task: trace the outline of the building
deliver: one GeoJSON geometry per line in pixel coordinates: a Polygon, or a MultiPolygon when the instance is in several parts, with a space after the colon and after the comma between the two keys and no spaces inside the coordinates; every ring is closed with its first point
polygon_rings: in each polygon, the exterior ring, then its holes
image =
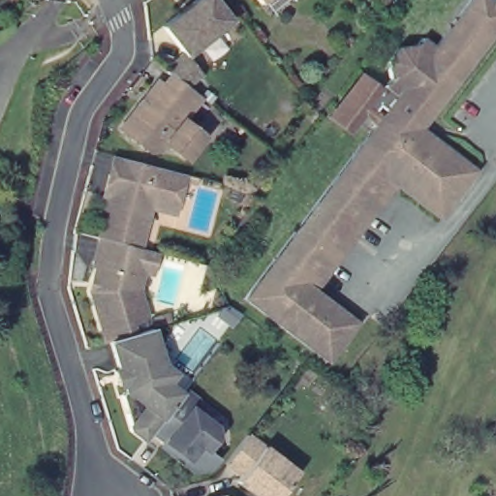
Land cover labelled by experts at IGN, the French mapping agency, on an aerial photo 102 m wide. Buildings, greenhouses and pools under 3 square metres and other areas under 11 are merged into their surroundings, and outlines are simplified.
{"type": "Polygon", "coordinates": [[[89,298],[97,333],[101,335],[105,339],[105,345],[112,351],[114,364],[122,366],[120,374],[108,376],[110,384],[112,386],[122,384],[126,387],[126,397],[134,415],[134,426],[145,436],[147,446],[159,446],[161,449],[165,449],[170,457],[182,461],[192,473],[213,473],[217,467],[225,465],[225,479],[236,475],[238,482],[234,486],[246,488],[252,496],[291,496],[294,482],[302,479],[302,469],[298,469],[293,461],[281,455],[277,449],[265,446],[254,436],[244,438],[236,453],[227,457],[217,455],[221,446],[227,446],[227,428],[198,409],[198,393],[186,391],[180,387],[180,372],[172,366],[167,349],[163,345],[163,337],[169,337],[175,327],[172,308],[155,310],[151,294],[151,281],[167,260],[159,252],[147,252],[147,244],[151,242],[151,231],[155,221],[165,213],[178,215],[184,209],[188,198],[192,198],[190,180],[194,176],[116,157],[110,159],[110,172],[105,182],[105,198],[108,213],[108,219],[105,219],[105,232],[93,236],[97,240],[97,248],[91,260],[91,269],[97,269],[97,277],[93,285],[93,296],[89,298]]]}
{"type": "Polygon", "coordinates": [[[217,314],[227,324],[227,329],[231,329],[242,320],[242,312],[236,312],[232,308],[225,310],[217,314]]]}
{"type": "Polygon", "coordinates": [[[215,95],[213,95],[213,93],[205,93],[205,95],[207,95],[207,101],[209,101],[209,103],[215,103],[215,95]]]}
{"type": "Polygon", "coordinates": [[[296,0],[256,0],[271,14],[281,14],[285,8],[293,6],[296,0]]]}
{"type": "Polygon", "coordinates": [[[366,236],[366,231],[372,231],[370,223],[378,221],[378,215],[387,201],[399,198],[399,192],[407,192],[424,207],[434,211],[440,217],[440,221],[453,213],[463,194],[469,190],[469,186],[473,186],[471,172],[477,169],[430,132],[432,124],[440,124],[461,87],[467,85],[467,81],[477,72],[480,62],[488,56],[492,46],[496,45],[496,0],[477,0],[469,12],[463,10],[457,27],[448,25],[442,33],[440,45],[432,43],[430,39],[422,39],[420,45],[401,48],[397,54],[397,62],[387,62],[389,79],[386,85],[380,85],[376,79],[362,74],[343,99],[343,103],[327,116],[333,126],[341,124],[343,128],[347,128],[349,134],[355,134],[360,128],[368,134],[353,151],[347,165],[329,182],[322,198],[314,203],[310,213],[304,217],[302,229],[294,232],[285,248],[277,254],[275,260],[271,260],[262,277],[254,283],[254,287],[244,294],[246,306],[273,320],[285,331],[287,337],[291,337],[306,351],[324,358],[327,364],[333,364],[335,358],[351,345],[351,341],[358,333],[358,327],[364,320],[356,320],[353,314],[339,306],[333,298],[329,298],[324,293],[324,287],[329,279],[333,279],[335,271],[353,250],[353,246],[358,244],[358,240],[366,236]]]}
{"type": "Polygon", "coordinates": [[[178,37],[172,46],[180,52],[176,70],[170,70],[167,81],[153,85],[149,91],[149,99],[143,105],[134,110],[128,108],[128,112],[122,116],[118,124],[118,136],[132,149],[141,153],[167,157],[170,151],[174,151],[180,155],[176,161],[194,165],[205,151],[215,141],[211,139],[209,132],[205,132],[196,122],[190,120],[192,112],[201,110],[201,95],[190,89],[188,83],[205,83],[209,60],[205,58],[205,52],[209,46],[225,37],[225,33],[236,33],[238,15],[242,14],[242,4],[246,0],[200,0],[188,14],[180,15],[178,19],[172,15],[167,27],[178,37]]]}

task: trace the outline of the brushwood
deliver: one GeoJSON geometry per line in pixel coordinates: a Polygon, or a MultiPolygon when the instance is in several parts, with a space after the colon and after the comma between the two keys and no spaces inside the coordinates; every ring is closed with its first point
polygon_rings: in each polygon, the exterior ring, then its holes
{"type": "Polygon", "coordinates": [[[300,378],[310,370],[325,378],[329,386],[349,389],[355,386],[358,376],[364,370],[356,362],[349,366],[349,376],[329,374],[316,360],[304,356],[289,382],[296,386],[300,378]]]}
{"type": "Polygon", "coordinates": [[[399,198],[413,209],[417,209],[428,221],[440,221],[440,217],[434,211],[424,207],[407,192],[399,192],[399,198]]]}
{"type": "Polygon", "coordinates": [[[246,130],[263,139],[267,145],[273,151],[277,151],[281,159],[285,159],[293,153],[296,128],[300,128],[304,118],[293,118],[287,126],[277,126],[275,136],[269,136],[248,116],[238,112],[231,103],[227,103],[221,95],[215,95],[215,103],[215,107],[223,114],[231,116],[234,122],[238,122],[246,130]]]}
{"type": "Polygon", "coordinates": [[[0,0],[0,46],[14,37],[19,23],[25,12],[25,0],[0,0]]]}
{"type": "Polygon", "coordinates": [[[463,128],[455,120],[455,116],[465,107],[465,103],[482,83],[482,79],[488,76],[488,72],[496,64],[496,45],[492,46],[488,56],[480,62],[477,72],[467,81],[467,85],[461,87],[440,124],[448,130],[453,143],[461,145],[469,155],[473,155],[479,161],[486,159],[479,145],[473,145],[467,136],[463,136],[463,128]]]}
{"type": "Polygon", "coordinates": [[[81,56],[72,54],[66,60],[54,64],[48,76],[39,79],[35,87],[33,141],[31,147],[25,151],[29,155],[29,172],[21,172],[19,180],[23,180],[27,186],[15,192],[15,201],[27,203],[35,194],[39,161],[45,157],[46,128],[50,112],[60,99],[60,95],[66,91],[68,81],[76,74],[79,62],[83,62],[81,56]]]}
{"type": "Polygon", "coordinates": [[[250,4],[252,0],[246,0],[242,4],[242,14],[238,15],[236,33],[238,33],[242,33],[248,27],[260,29],[265,37],[265,46],[271,52],[275,52],[275,56],[281,60],[281,70],[285,74],[294,74],[291,79],[296,89],[300,89],[306,83],[300,70],[308,64],[306,56],[312,52],[308,48],[293,48],[289,52],[279,52],[275,45],[271,45],[269,27],[254,14],[254,8],[250,4]]]}

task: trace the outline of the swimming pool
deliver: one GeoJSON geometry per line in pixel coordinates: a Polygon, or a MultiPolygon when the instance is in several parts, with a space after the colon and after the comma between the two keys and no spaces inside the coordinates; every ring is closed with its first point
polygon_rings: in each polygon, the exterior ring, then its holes
{"type": "Polygon", "coordinates": [[[159,300],[163,302],[174,302],[180,283],[180,273],[169,269],[165,271],[159,287],[159,300]]]}
{"type": "Polygon", "coordinates": [[[190,223],[198,229],[205,229],[213,205],[213,194],[200,192],[190,223]]]}
{"type": "Polygon", "coordinates": [[[180,349],[188,356],[188,370],[198,366],[201,356],[207,353],[213,341],[217,341],[209,331],[196,331],[180,349]]]}

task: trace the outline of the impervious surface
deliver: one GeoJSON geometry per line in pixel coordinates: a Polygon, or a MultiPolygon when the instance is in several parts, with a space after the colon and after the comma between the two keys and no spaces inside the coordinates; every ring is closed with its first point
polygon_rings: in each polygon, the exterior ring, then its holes
{"type": "Polygon", "coordinates": [[[207,480],[203,486],[190,488],[186,494],[180,496],[209,496],[211,492],[223,486],[234,486],[238,482],[236,475],[225,479],[215,484],[207,480]]]}
{"type": "Polygon", "coordinates": [[[201,293],[205,265],[174,258],[167,260],[151,281],[151,294],[155,310],[172,308],[175,327],[169,337],[163,337],[163,345],[167,349],[172,366],[180,372],[180,387],[186,391],[196,382],[198,374],[217,351],[223,335],[227,329],[227,324],[217,314],[225,310],[221,302],[215,298],[215,291],[201,293]],[[163,302],[159,300],[159,287],[165,271],[169,269],[180,273],[180,283],[174,302],[163,302]],[[198,366],[188,370],[188,356],[180,349],[196,331],[209,331],[217,341],[213,341],[207,353],[201,356],[198,366]]]}
{"type": "Polygon", "coordinates": [[[453,14],[449,15],[448,25],[457,27],[463,10],[469,12],[477,0],[461,0],[453,14]]]}
{"type": "Polygon", "coordinates": [[[213,231],[221,198],[221,190],[215,184],[207,186],[201,178],[194,176],[190,180],[192,198],[188,198],[184,209],[178,215],[165,213],[155,221],[151,231],[151,242],[157,242],[159,238],[159,231],[163,227],[209,236],[213,231]],[[200,192],[213,194],[213,205],[205,229],[198,229],[190,223],[200,192]]]}
{"type": "Polygon", "coordinates": [[[353,250],[335,271],[333,279],[329,279],[324,287],[324,293],[329,298],[333,298],[339,306],[353,314],[356,320],[364,320],[366,316],[368,320],[378,322],[378,318],[387,314],[391,308],[399,304],[405,306],[407,294],[415,289],[420,271],[426,265],[436,262],[436,258],[442,254],[449,238],[459,231],[463,221],[496,184],[496,64],[488,72],[488,76],[482,79],[482,83],[465,103],[465,107],[455,116],[455,120],[463,128],[463,136],[467,136],[473,145],[479,145],[486,159],[486,167],[477,169],[471,172],[473,186],[469,186],[469,190],[463,194],[453,213],[440,221],[428,221],[417,209],[413,209],[399,198],[387,201],[378,215],[378,221],[370,223],[372,231],[366,231],[366,236],[358,240],[358,244],[353,246],[353,250]]]}
{"type": "Polygon", "coordinates": [[[105,182],[110,172],[110,159],[116,157],[116,151],[99,151],[103,147],[103,128],[103,122],[107,120],[108,110],[112,110],[112,105],[128,97],[128,91],[132,91],[138,85],[138,81],[153,85],[167,81],[170,70],[169,64],[159,56],[161,45],[155,43],[157,31],[151,29],[149,23],[149,4],[155,0],[81,0],[87,4],[87,12],[83,17],[66,25],[56,25],[56,17],[64,8],[64,4],[77,0],[46,0],[45,8],[31,21],[23,25],[19,23],[14,37],[0,46],[0,118],[4,114],[15,77],[19,74],[25,58],[31,52],[64,46],[68,46],[72,54],[81,56],[83,62],[79,62],[76,74],[68,81],[66,91],[60,95],[60,99],[50,112],[46,128],[45,157],[39,161],[35,194],[27,203],[35,217],[35,256],[31,269],[23,267],[23,277],[19,285],[27,293],[27,304],[33,306],[35,320],[41,329],[46,355],[50,360],[60,401],[64,407],[68,451],[62,453],[66,457],[68,467],[68,477],[64,479],[62,486],[64,496],[174,496],[174,492],[169,492],[163,486],[163,482],[155,477],[153,471],[145,467],[149,459],[157,455],[157,451],[161,449],[159,446],[147,446],[145,436],[134,426],[134,415],[126,397],[126,387],[122,384],[112,386],[114,397],[120,401],[128,432],[139,442],[134,455],[120,448],[108,411],[107,397],[103,391],[103,387],[110,384],[108,376],[120,374],[122,366],[114,364],[112,351],[105,345],[105,339],[101,335],[99,339],[87,339],[79,318],[74,289],[85,289],[85,294],[89,298],[93,296],[93,285],[97,277],[97,269],[91,269],[91,260],[97,248],[97,240],[93,236],[79,236],[76,221],[89,207],[91,196],[97,201],[105,198],[105,182]]]}

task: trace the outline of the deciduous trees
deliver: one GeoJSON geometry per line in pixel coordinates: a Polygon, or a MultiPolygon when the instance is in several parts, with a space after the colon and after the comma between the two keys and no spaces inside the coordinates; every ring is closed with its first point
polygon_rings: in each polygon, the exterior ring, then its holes
{"type": "Polygon", "coordinates": [[[201,293],[215,291],[215,298],[221,302],[231,298],[227,291],[232,281],[244,277],[252,262],[262,258],[267,252],[263,238],[271,223],[271,211],[267,207],[258,207],[250,217],[246,215],[246,211],[240,211],[238,217],[231,217],[234,234],[219,234],[219,242],[223,244],[223,256],[213,258],[205,265],[201,293]]]}
{"type": "Polygon", "coordinates": [[[8,312],[8,306],[0,300],[0,343],[10,341],[12,329],[4,324],[4,314],[8,312]]]}
{"type": "Polygon", "coordinates": [[[496,240],[496,215],[484,217],[480,223],[482,234],[496,240]]]}
{"type": "Polygon", "coordinates": [[[350,39],[345,39],[343,35],[327,35],[325,46],[341,58],[348,51],[350,39]]]}
{"type": "Polygon", "coordinates": [[[479,475],[469,486],[471,496],[490,496],[482,492],[480,486],[488,484],[488,479],[484,475],[479,475]]]}
{"type": "Polygon", "coordinates": [[[223,335],[217,351],[232,353],[240,358],[244,351],[240,345],[232,343],[223,335]]]}
{"type": "Polygon", "coordinates": [[[333,14],[335,6],[341,6],[341,23],[351,25],[356,33],[364,33],[368,27],[374,29],[376,37],[368,46],[376,56],[384,58],[387,62],[397,62],[397,54],[401,48],[395,39],[395,29],[403,25],[405,15],[411,10],[409,0],[314,0],[314,15],[324,14],[327,17],[333,14]]]}
{"type": "Polygon", "coordinates": [[[258,393],[263,393],[277,405],[283,405],[285,411],[293,411],[293,403],[298,397],[296,386],[289,382],[283,384],[279,376],[271,378],[269,364],[265,362],[244,364],[240,360],[234,372],[236,387],[242,391],[244,397],[254,397],[258,393]]]}
{"type": "Polygon", "coordinates": [[[316,112],[310,107],[314,87],[312,83],[316,83],[322,77],[322,70],[318,68],[318,64],[308,64],[300,70],[306,83],[300,89],[296,89],[293,118],[304,118],[316,112]]]}
{"type": "Polygon", "coordinates": [[[64,479],[68,477],[68,467],[66,457],[62,453],[45,453],[37,459],[33,467],[29,467],[27,473],[31,496],[64,496],[62,486],[64,479]]]}
{"type": "Polygon", "coordinates": [[[449,469],[457,473],[463,471],[461,461],[473,463],[473,459],[486,444],[496,444],[496,418],[484,420],[449,415],[442,438],[434,446],[434,459],[442,461],[444,457],[448,457],[449,469]]]}
{"type": "Polygon", "coordinates": [[[178,19],[180,15],[188,14],[200,0],[178,0],[174,4],[172,15],[178,19]]]}
{"type": "Polygon", "coordinates": [[[389,463],[384,453],[378,453],[370,455],[368,464],[359,469],[361,479],[371,489],[382,484],[384,480],[378,467],[389,463]]]}
{"type": "Polygon", "coordinates": [[[254,161],[254,169],[258,170],[256,174],[250,174],[246,178],[227,176],[223,178],[223,182],[215,184],[221,190],[221,198],[231,200],[232,192],[254,194],[262,190],[271,190],[271,184],[279,174],[275,169],[283,165],[285,159],[281,159],[277,151],[273,151],[267,145],[265,153],[254,161]]]}
{"type": "Polygon", "coordinates": [[[79,236],[93,236],[105,232],[105,219],[108,219],[108,213],[105,198],[97,201],[91,196],[89,207],[76,221],[79,236]]]}
{"type": "Polygon", "coordinates": [[[147,252],[159,252],[167,260],[174,258],[170,254],[170,248],[167,248],[165,242],[159,238],[157,242],[151,242],[147,244],[147,252]]]}
{"type": "Polygon", "coordinates": [[[234,147],[231,143],[217,141],[215,141],[205,151],[213,163],[215,172],[232,169],[234,147]]]}
{"type": "Polygon", "coordinates": [[[269,327],[264,326],[257,330],[256,347],[271,349],[275,345],[275,335],[269,327]]]}
{"type": "Polygon", "coordinates": [[[118,124],[122,116],[128,112],[128,108],[128,97],[112,105],[112,110],[108,110],[107,120],[103,122],[103,128],[110,130],[112,124],[118,124]]]}
{"type": "Polygon", "coordinates": [[[17,229],[15,201],[15,192],[27,186],[23,180],[19,180],[21,172],[19,165],[10,165],[4,159],[0,159],[0,289],[12,289],[19,285],[23,277],[23,267],[25,242],[17,229]]]}
{"type": "Polygon", "coordinates": [[[145,467],[153,471],[155,477],[163,482],[163,486],[169,492],[174,492],[174,496],[180,496],[186,494],[190,488],[203,486],[207,480],[215,484],[225,479],[225,465],[217,467],[213,473],[192,473],[182,461],[170,457],[165,449],[161,449],[157,451],[157,455],[149,459],[145,467]]]}
{"type": "Polygon", "coordinates": [[[351,471],[351,459],[366,457],[364,449],[370,448],[378,424],[384,422],[384,417],[389,411],[393,411],[395,405],[399,409],[409,409],[417,399],[426,399],[426,393],[434,384],[434,374],[422,374],[418,356],[424,347],[432,349],[436,345],[436,339],[440,339],[446,333],[444,329],[448,329],[449,325],[449,306],[459,287],[461,275],[467,267],[465,256],[442,254],[436,258],[436,262],[426,265],[420,271],[415,289],[407,294],[405,306],[399,304],[391,308],[387,314],[378,318],[378,322],[378,345],[386,353],[386,360],[380,368],[378,358],[370,358],[368,368],[364,370],[358,376],[355,386],[349,389],[329,386],[325,387],[327,409],[320,411],[320,417],[327,424],[329,432],[320,432],[320,438],[329,440],[331,434],[335,434],[343,438],[343,446],[335,444],[333,449],[345,457],[339,463],[339,467],[347,467],[351,471]]]}

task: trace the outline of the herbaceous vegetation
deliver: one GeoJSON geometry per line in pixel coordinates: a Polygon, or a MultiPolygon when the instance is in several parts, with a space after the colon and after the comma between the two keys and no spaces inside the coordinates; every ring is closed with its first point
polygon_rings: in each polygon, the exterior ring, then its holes
{"type": "Polygon", "coordinates": [[[23,25],[31,21],[45,8],[46,0],[25,0],[25,12],[19,23],[23,25]]]}
{"type": "Polygon", "coordinates": [[[17,229],[25,242],[23,267],[31,269],[35,256],[35,217],[27,203],[15,201],[17,229]]]}
{"type": "Polygon", "coordinates": [[[343,103],[343,99],[362,74],[376,79],[380,85],[386,85],[389,79],[387,62],[384,58],[376,56],[368,46],[376,37],[374,29],[368,27],[364,33],[356,33],[351,25],[341,23],[341,6],[335,6],[333,14],[327,17],[324,14],[314,15],[314,0],[296,0],[293,6],[285,8],[281,14],[271,14],[256,0],[252,0],[250,4],[254,8],[254,14],[269,27],[271,45],[275,45],[279,52],[289,52],[293,48],[308,48],[312,52],[306,56],[308,64],[318,64],[318,68],[322,70],[322,77],[316,83],[312,83],[314,87],[310,107],[316,112],[304,118],[300,128],[296,128],[293,153],[285,159],[283,165],[275,169],[279,174],[271,184],[271,190],[262,190],[254,194],[232,192],[231,200],[221,198],[213,231],[209,236],[163,227],[159,231],[159,238],[165,242],[167,248],[170,248],[170,254],[174,258],[205,265],[213,258],[223,256],[223,244],[219,242],[219,234],[234,234],[231,217],[238,217],[240,211],[246,211],[246,215],[250,217],[258,207],[267,207],[271,211],[271,223],[263,238],[267,252],[262,258],[252,262],[244,277],[232,281],[227,291],[231,298],[221,302],[225,310],[232,308],[236,312],[242,312],[242,320],[231,329],[227,329],[223,335],[232,343],[240,345],[244,351],[240,358],[232,353],[217,351],[198,374],[196,382],[186,391],[198,393],[198,409],[227,428],[227,446],[221,446],[217,455],[227,457],[236,453],[244,438],[254,436],[265,446],[277,449],[281,455],[293,461],[298,469],[302,469],[302,479],[294,482],[291,496],[471,496],[469,486],[479,475],[484,475],[488,479],[488,484],[480,486],[482,492],[490,496],[496,496],[496,444],[486,444],[473,459],[473,463],[461,461],[463,471],[457,473],[449,469],[448,457],[444,457],[442,461],[434,459],[434,446],[442,438],[449,415],[484,420],[496,418],[496,240],[482,234],[480,223],[484,217],[496,215],[496,184],[463,221],[459,231],[449,238],[442,254],[465,256],[467,267],[461,275],[459,287],[449,306],[449,325],[448,329],[444,329],[446,333],[440,339],[436,339],[436,345],[432,349],[424,347],[418,356],[422,374],[434,374],[434,384],[426,393],[426,399],[417,399],[409,409],[399,409],[395,405],[393,411],[389,411],[384,417],[384,422],[378,424],[370,448],[364,449],[366,457],[351,459],[351,471],[347,467],[339,467],[339,463],[345,457],[333,449],[335,444],[343,446],[343,438],[335,434],[331,434],[329,440],[320,438],[320,432],[329,432],[327,424],[320,417],[320,411],[327,409],[325,387],[329,386],[325,378],[310,370],[300,378],[296,386],[298,397],[293,403],[293,411],[285,411],[283,405],[277,405],[263,393],[258,393],[254,397],[244,397],[242,391],[236,387],[234,372],[240,360],[244,364],[265,362],[269,364],[271,378],[279,376],[283,384],[289,382],[304,356],[316,360],[329,374],[349,376],[349,366],[356,362],[364,370],[368,368],[370,358],[378,358],[380,368],[386,360],[386,353],[378,345],[378,322],[368,320],[366,316],[364,320],[358,327],[358,333],[351,341],[351,345],[335,358],[333,364],[327,364],[324,358],[306,351],[291,337],[287,337],[285,331],[273,320],[246,306],[244,294],[254,287],[254,283],[262,277],[271,260],[275,260],[277,254],[285,248],[294,232],[302,229],[304,217],[310,213],[314,203],[322,198],[329,182],[347,165],[353,151],[368,134],[360,128],[355,134],[349,134],[347,128],[343,128],[341,124],[333,126],[327,116],[343,103]],[[327,35],[343,35],[345,39],[350,39],[348,51],[341,58],[325,46],[327,35]],[[269,327],[275,335],[275,345],[271,349],[256,347],[257,330],[264,326],[269,327]],[[371,489],[361,479],[359,469],[368,464],[370,455],[378,453],[384,453],[389,463],[378,467],[384,480],[382,484],[371,489]]]}
{"type": "Polygon", "coordinates": [[[87,339],[99,339],[101,335],[97,333],[89,298],[85,294],[85,289],[74,289],[79,318],[87,339]]]}
{"type": "Polygon", "coordinates": [[[149,91],[153,85],[138,81],[138,85],[132,91],[128,91],[128,97],[128,108],[134,110],[143,105],[149,99],[149,91]]]}
{"type": "Polygon", "coordinates": [[[260,29],[248,27],[242,33],[238,33],[234,45],[225,56],[209,60],[205,83],[188,83],[190,89],[201,95],[205,95],[205,93],[213,93],[213,95],[215,95],[221,95],[227,103],[231,103],[238,112],[248,116],[269,136],[275,136],[277,126],[287,126],[293,118],[296,89],[291,79],[294,74],[285,74],[281,70],[281,60],[275,56],[275,52],[271,52],[265,46],[265,37],[260,29]]]}
{"type": "Polygon", "coordinates": [[[403,25],[395,29],[395,39],[401,48],[420,45],[422,39],[430,39],[432,43],[440,45],[442,33],[448,25],[449,15],[453,14],[461,0],[409,0],[411,10],[405,15],[403,25]]]}
{"type": "Polygon", "coordinates": [[[120,401],[114,397],[112,386],[110,384],[103,387],[103,391],[107,397],[108,411],[120,448],[134,455],[139,442],[128,432],[120,401]]]}
{"type": "Polygon", "coordinates": [[[192,112],[190,120],[196,122],[205,132],[209,132],[217,126],[217,118],[209,110],[201,110],[192,112]]]}
{"type": "Polygon", "coordinates": [[[479,161],[473,155],[469,155],[461,145],[453,143],[448,130],[440,124],[432,124],[430,132],[477,169],[486,167],[486,159],[479,161]]]}
{"type": "Polygon", "coordinates": [[[215,184],[223,182],[223,178],[227,176],[246,178],[250,174],[256,174],[258,170],[254,169],[254,161],[265,153],[267,145],[263,139],[246,130],[244,134],[227,130],[217,138],[217,141],[231,143],[234,147],[232,169],[215,172],[213,163],[205,151],[194,165],[176,161],[180,155],[174,151],[170,151],[167,157],[141,153],[132,149],[118,136],[118,124],[112,124],[110,130],[103,128],[103,147],[99,151],[116,151],[116,157],[194,176],[201,178],[207,186],[215,184]]]}
{"type": "Polygon", "coordinates": [[[174,4],[178,0],[155,0],[149,4],[149,23],[151,29],[157,31],[161,27],[167,27],[172,15],[174,4]]]}
{"type": "Polygon", "coordinates": [[[234,486],[223,486],[211,492],[209,496],[252,496],[246,488],[234,486]]]}
{"type": "Polygon", "coordinates": [[[29,467],[33,467],[37,459],[45,453],[62,453],[68,451],[64,407],[60,401],[50,360],[46,355],[41,329],[35,320],[33,306],[27,304],[27,293],[19,285],[12,289],[0,289],[0,300],[8,306],[8,312],[4,314],[4,324],[12,329],[10,341],[0,343],[0,496],[31,496],[27,473],[29,467]]]}
{"type": "Polygon", "coordinates": [[[62,50],[64,46],[31,52],[25,58],[19,74],[15,77],[4,114],[0,118],[0,159],[4,159],[10,165],[19,165],[21,172],[29,172],[29,155],[25,151],[31,147],[33,141],[35,87],[39,79],[48,76],[54,64],[46,66],[43,60],[46,56],[62,50]]]}
{"type": "Polygon", "coordinates": [[[56,17],[56,25],[66,25],[83,17],[87,12],[87,4],[81,0],[77,0],[64,4],[64,8],[56,17]]]}

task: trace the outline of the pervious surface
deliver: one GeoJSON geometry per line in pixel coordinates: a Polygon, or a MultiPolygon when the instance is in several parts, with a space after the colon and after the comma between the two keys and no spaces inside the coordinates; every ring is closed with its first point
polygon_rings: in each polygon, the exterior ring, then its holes
{"type": "Polygon", "coordinates": [[[215,141],[217,141],[217,138],[227,130],[244,134],[246,130],[238,122],[234,122],[231,116],[223,114],[215,107],[215,103],[209,103],[209,101],[207,101],[207,95],[205,95],[201,95],[201,110],[209,110],[217,118],[217,126],[209,132],[211,139],[215,141]]]}
{"type": "Polygon", "coordinates": [[[64,46],[62,50],[46,56],[43,60],[46,66],[54,64],[66,60],[72,54],[68,46],[64,46]]]}
{"type": "Polygon", "coordinates": [[[205,52],[205,58],[209,60],[225,56],[234,45],[238,33],[236,33],[225,33],[225,37],[209,46],[205,52]]]}
{"type": "Polygon", "coordinates": [[[169,64],[170,70],[176,70],[180,52],[172,46],[178,37],[167,27],[161,27],[157,31],[155,43],[161,45],[159,56],[169,64]]]}

